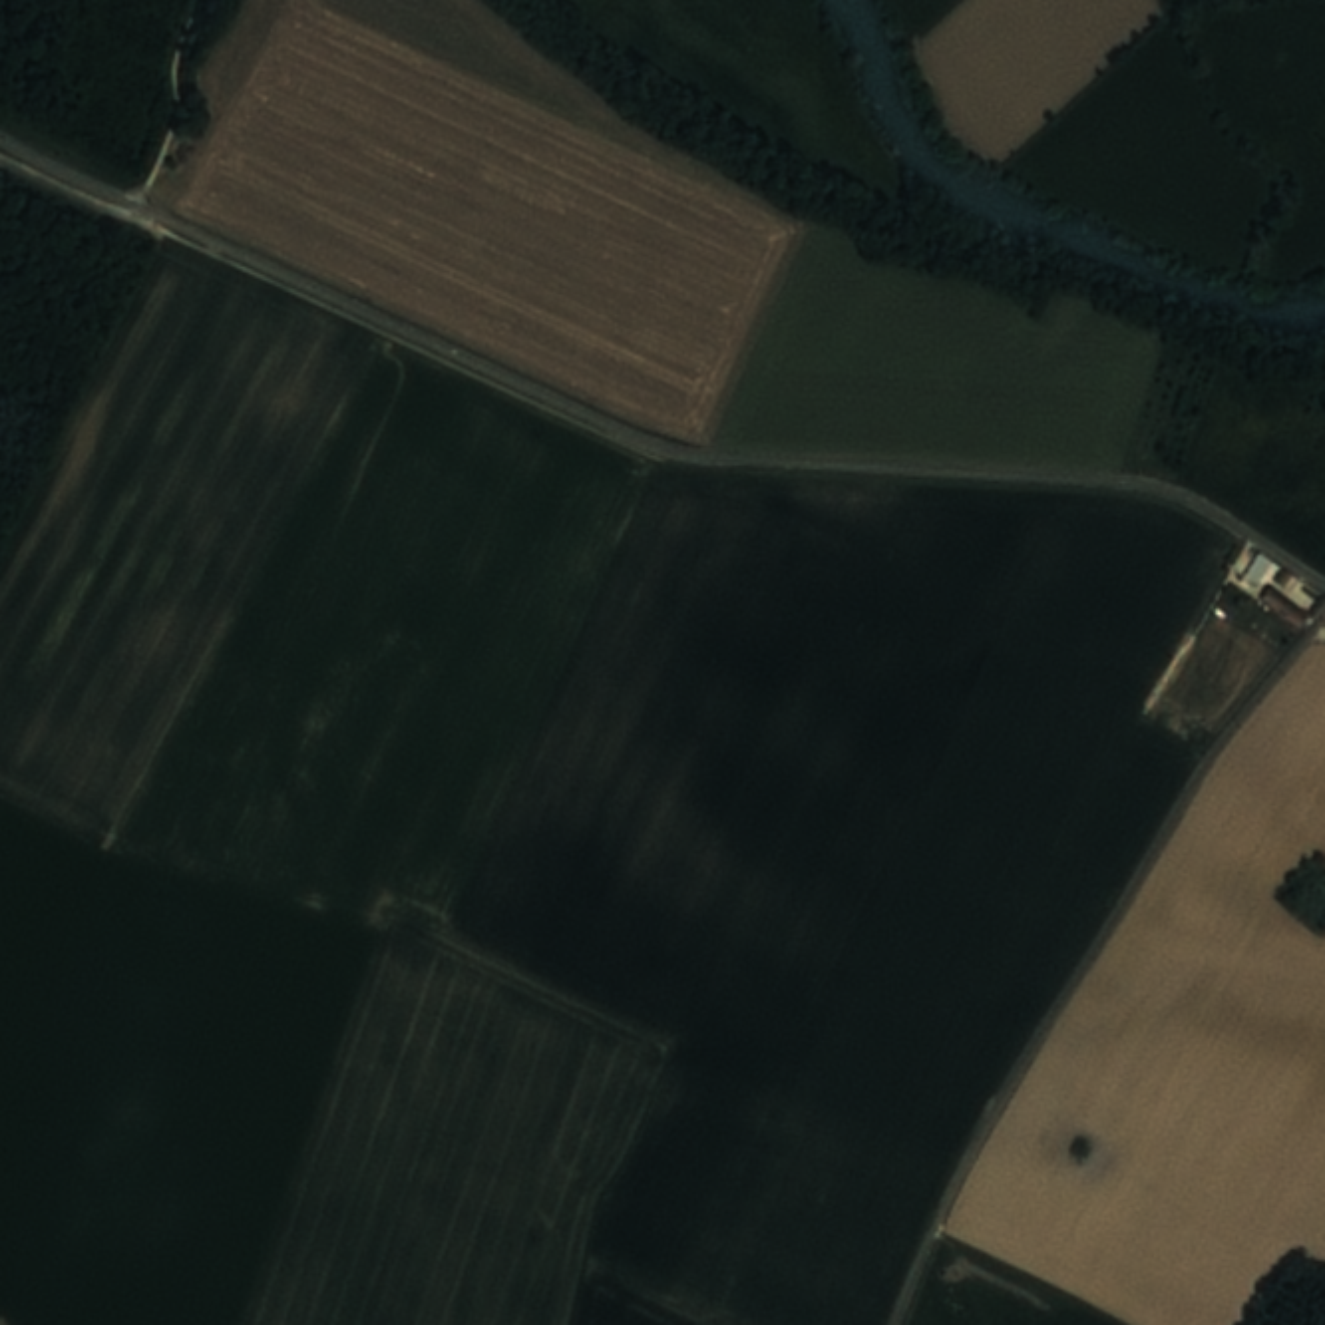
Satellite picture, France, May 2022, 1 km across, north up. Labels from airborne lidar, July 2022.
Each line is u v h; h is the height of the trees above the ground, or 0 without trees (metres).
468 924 0
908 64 8
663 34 0
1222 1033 0
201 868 0
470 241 0
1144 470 0
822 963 0
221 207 0
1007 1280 0
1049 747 0
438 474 0
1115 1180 0
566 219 0
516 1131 0
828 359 0
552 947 0
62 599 0
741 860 0
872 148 0
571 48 20
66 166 0
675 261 0
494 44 0
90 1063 0
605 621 0
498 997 0
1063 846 0
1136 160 0
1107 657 0
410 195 0
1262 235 13
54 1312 0
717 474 0
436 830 0
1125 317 17
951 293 0
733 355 0
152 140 6
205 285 0
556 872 0
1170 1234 0
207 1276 0
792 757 0
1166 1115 0
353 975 0
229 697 0
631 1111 0
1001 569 0
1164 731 0
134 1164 0
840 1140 0
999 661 0
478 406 0
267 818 0
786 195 19
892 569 0
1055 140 0
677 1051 0
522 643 0
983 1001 0
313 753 0
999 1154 0
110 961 0
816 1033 0
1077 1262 0
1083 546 0
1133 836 0
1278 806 0
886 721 0
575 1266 0
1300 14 0
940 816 0
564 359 0
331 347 0
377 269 0
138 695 0
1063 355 0
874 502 0
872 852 0
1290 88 0
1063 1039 0
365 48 0
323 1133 0
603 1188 0
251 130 0
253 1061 0
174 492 0
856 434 0
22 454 29
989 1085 0
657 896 0
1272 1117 0
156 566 0
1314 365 21
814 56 0
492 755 0
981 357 0
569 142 0
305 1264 0
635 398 0
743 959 0
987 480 0
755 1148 0
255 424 0
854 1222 0
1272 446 0
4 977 0
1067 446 0
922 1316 0
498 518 0
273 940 0
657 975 0
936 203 20
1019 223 0
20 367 25
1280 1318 16
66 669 0
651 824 0
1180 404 7
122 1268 0
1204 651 0
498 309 0
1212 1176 0
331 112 0
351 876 0
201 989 0
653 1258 0
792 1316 0
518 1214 0
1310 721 0
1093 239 0
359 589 0
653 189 0
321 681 0
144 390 0
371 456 0
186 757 0
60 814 0
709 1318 0
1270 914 0
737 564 0
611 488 0
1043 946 0
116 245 24
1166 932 0
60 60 28
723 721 0
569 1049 0
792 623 0
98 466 0
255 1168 0
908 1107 0
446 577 0
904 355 0
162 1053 0
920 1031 0
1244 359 10
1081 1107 0
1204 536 0
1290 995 0
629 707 0
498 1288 0
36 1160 0
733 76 0
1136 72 0
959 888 0
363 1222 0
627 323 0
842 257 0
